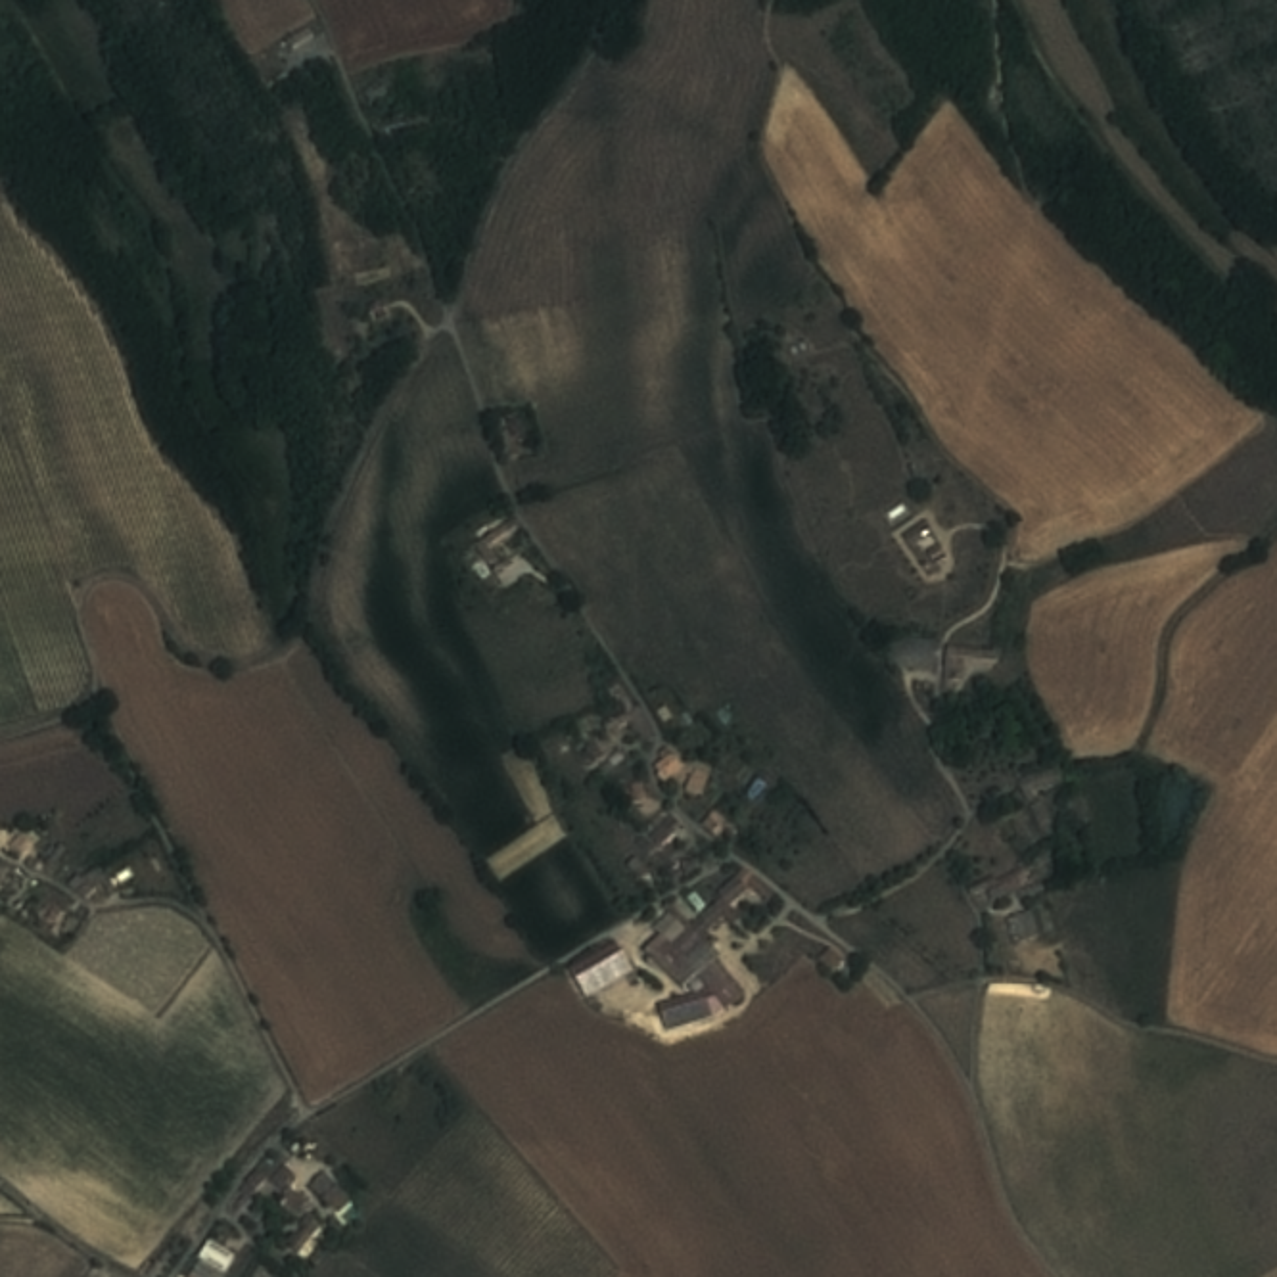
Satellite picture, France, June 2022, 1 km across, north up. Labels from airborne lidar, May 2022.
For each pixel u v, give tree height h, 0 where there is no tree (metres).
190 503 0
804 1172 0
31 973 0
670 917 0
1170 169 0
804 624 0
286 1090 0
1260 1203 0
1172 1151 0
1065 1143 0
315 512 6
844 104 0
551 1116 0
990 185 0
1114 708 0
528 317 0
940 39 10
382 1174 0
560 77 14
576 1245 0
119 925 0
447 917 0
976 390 0
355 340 6
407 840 0
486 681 0
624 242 0
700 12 0
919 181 0
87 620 0
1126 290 9
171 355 16
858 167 0
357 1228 8
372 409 9
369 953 0
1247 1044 0
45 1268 0
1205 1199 0
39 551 0
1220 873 0
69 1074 0
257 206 8
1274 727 0
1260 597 0
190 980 0
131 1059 0
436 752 0
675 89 0
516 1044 0
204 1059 0
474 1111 0
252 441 0
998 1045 0
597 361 0
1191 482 0
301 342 12
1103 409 0
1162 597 0
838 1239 0
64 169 15
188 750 0
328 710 0
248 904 0
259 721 0
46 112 11
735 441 0
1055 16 0
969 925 0
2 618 0
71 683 0
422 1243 0
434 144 11
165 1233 0
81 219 14
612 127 0
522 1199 0
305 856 0
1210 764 0
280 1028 0
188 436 17
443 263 7
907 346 0
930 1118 0
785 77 0
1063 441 0
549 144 0
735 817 14
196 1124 0
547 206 0
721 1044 0
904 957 0
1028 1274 0
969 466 0
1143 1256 0
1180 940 0
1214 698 0
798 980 0
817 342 0
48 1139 0
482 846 0
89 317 0
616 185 0
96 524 0
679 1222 0
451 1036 0
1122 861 8
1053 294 0
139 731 0
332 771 0
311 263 9
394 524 0
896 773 0
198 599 0
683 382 0
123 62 15
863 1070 0
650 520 0
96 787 0
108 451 0
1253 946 0
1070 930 0
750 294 0
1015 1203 0
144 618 0
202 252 0
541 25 15
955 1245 0
